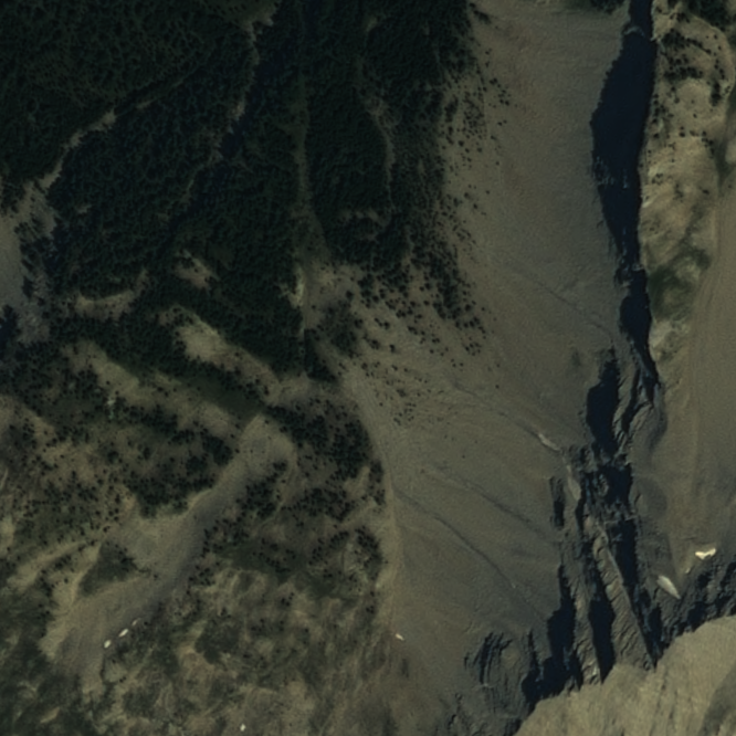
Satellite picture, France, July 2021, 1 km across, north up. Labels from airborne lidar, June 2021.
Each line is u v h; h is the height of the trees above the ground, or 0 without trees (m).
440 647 0
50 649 0
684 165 0
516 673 0
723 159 0
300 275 0
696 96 0
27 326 0
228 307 9
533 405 0
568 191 0
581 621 0
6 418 0
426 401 0
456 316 7
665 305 0
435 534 0
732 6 0
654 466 0
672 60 8
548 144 0
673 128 0
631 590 0
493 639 0
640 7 0
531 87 0
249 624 0
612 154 0
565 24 0
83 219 8
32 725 0
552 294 0
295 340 13
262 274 7
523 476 0
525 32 0
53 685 0
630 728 0
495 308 0
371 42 14
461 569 0
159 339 10
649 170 0
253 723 0
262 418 0
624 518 0
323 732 0
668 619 0
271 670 0
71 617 0
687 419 0
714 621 0
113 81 15
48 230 0
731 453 0
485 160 0
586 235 0
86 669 0
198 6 10
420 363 0
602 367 0
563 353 0
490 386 0
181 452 0
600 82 0
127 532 0
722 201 0
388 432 0
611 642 0
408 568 0
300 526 5
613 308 0
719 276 0
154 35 10
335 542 8
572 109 0
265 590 0
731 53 0
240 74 22
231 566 0
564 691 0
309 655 0
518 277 0
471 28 6
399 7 9
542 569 0
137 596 0
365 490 0
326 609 0
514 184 0
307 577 0
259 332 13
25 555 0
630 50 0
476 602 0
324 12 23
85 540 0
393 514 0
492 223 0
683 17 8
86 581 0
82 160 15
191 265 8
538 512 0
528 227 0
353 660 0
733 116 0
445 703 0
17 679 0
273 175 22
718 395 0
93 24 7
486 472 0
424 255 9
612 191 0
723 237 0
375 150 11
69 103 10
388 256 12
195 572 0
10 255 0
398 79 10
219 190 12
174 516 0
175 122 18
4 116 7
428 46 12
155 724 0
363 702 0
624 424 0
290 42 8
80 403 0
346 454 9
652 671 0
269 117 7
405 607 0
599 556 0
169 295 14
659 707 0
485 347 0
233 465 0
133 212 14
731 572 0
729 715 0
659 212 0
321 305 0
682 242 0
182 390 0
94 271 11
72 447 0
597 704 0
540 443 0
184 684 0
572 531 0
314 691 0
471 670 0
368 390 0
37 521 0
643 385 0
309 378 6
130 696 0
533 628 0
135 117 14
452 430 0
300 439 9
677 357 0
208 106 15
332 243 9
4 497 0
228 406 0
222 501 0
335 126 16
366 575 0
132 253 14
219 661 0
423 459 0
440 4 7
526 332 0
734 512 0
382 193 8
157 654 0
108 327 8
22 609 0
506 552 0
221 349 0
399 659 0
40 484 0
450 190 0
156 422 9
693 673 0
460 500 0
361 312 0
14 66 25
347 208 8
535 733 0
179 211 6
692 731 0
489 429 0
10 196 9
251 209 14
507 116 0
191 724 0
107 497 0
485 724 0
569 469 0
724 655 0
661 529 0
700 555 0
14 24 9
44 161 12
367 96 11
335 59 10
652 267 0
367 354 0
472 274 0
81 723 0
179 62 10
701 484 0
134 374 0
